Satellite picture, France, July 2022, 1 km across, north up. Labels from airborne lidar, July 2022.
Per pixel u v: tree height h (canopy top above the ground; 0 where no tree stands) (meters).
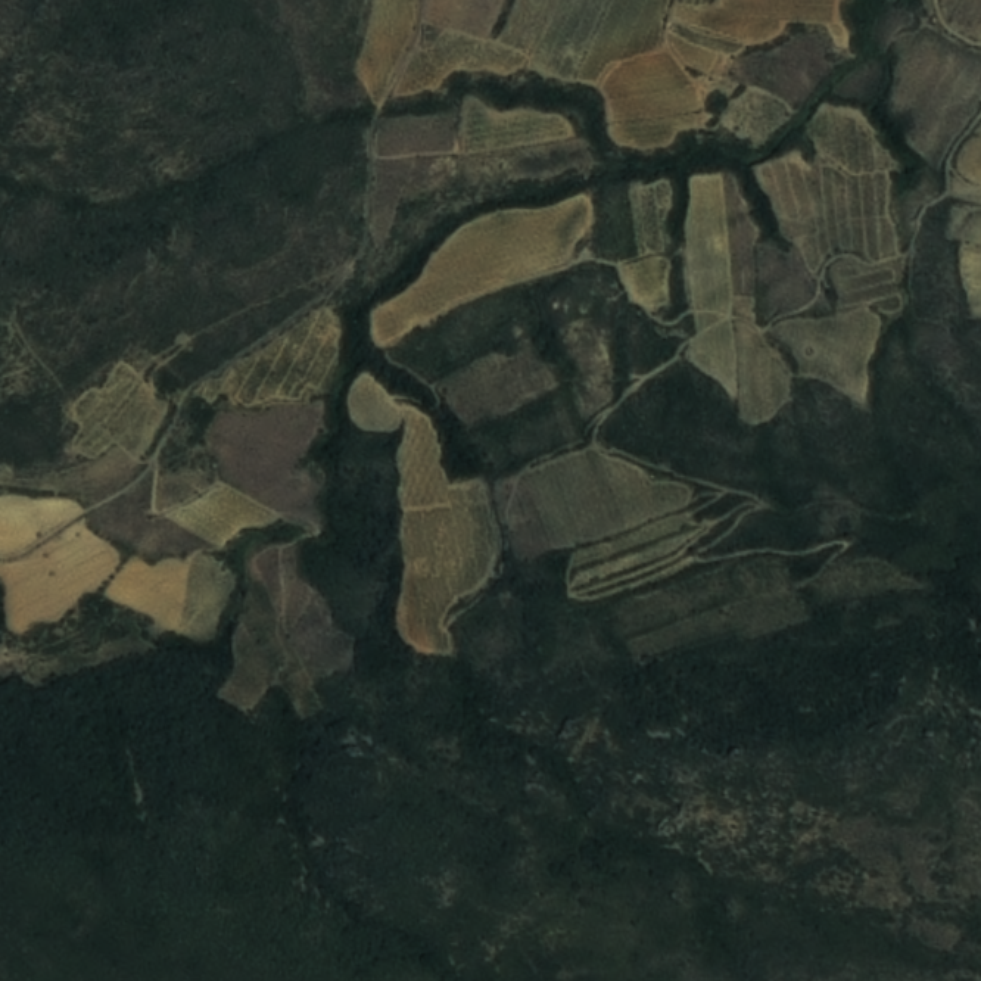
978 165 0
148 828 6
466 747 6
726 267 0
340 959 7
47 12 0
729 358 0
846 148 0
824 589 0
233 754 7
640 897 0
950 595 7
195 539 0
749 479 0
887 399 0
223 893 6
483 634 0
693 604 0
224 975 0
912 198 0
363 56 0
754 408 0
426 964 6
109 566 0
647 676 6
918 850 0
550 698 0
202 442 7
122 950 0
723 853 0
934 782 0
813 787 0
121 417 0
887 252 0
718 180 0
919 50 0
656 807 0
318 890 6
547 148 0
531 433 0
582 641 0
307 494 0
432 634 0
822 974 0
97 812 6
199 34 7
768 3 0
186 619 0
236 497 0
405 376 8
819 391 0
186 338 0
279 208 0
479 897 0
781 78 0
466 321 0
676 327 0
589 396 0
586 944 0
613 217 0
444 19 0
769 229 7
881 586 0
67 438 0
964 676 6
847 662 5
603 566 0
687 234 0
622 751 0
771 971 0
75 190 0
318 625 0
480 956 0
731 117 0
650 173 6
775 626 0
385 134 0
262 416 0
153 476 0
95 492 0
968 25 0
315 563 7
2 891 0
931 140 0
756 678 7
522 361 0
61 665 0
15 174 0
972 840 0
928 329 0
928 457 0
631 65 0
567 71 0
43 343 0
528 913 0
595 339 0
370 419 0
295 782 8
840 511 0
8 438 0
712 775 0
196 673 6
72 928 0
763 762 0
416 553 0
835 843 0
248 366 0
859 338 0
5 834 6
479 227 0
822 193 0
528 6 0
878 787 0
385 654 7
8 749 6
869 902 0
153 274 0
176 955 0
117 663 5
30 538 0
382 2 0
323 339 0
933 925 0
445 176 0
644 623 0
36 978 0
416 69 0
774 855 0
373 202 0
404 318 0
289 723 5
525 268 0
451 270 0
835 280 0
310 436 0
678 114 0
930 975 0
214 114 7
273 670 0
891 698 6
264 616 0
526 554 0
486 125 0
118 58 7
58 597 0
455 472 8
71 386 0
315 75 0
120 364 0
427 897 0
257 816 6
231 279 0
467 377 0
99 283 0
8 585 0
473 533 0
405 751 6
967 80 0
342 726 10
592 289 0
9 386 0
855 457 0
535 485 0
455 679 6
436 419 7
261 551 0
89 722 9
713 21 0
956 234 0
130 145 0
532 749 7
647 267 0
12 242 0
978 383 0
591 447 0
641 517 0
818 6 0
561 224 0
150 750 6
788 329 0
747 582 0
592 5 0
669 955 0
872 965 0
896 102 0
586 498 0
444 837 7
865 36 6
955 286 0
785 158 0
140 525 0
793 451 0
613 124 0
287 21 0
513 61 0
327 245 0
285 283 0
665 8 0
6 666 0
